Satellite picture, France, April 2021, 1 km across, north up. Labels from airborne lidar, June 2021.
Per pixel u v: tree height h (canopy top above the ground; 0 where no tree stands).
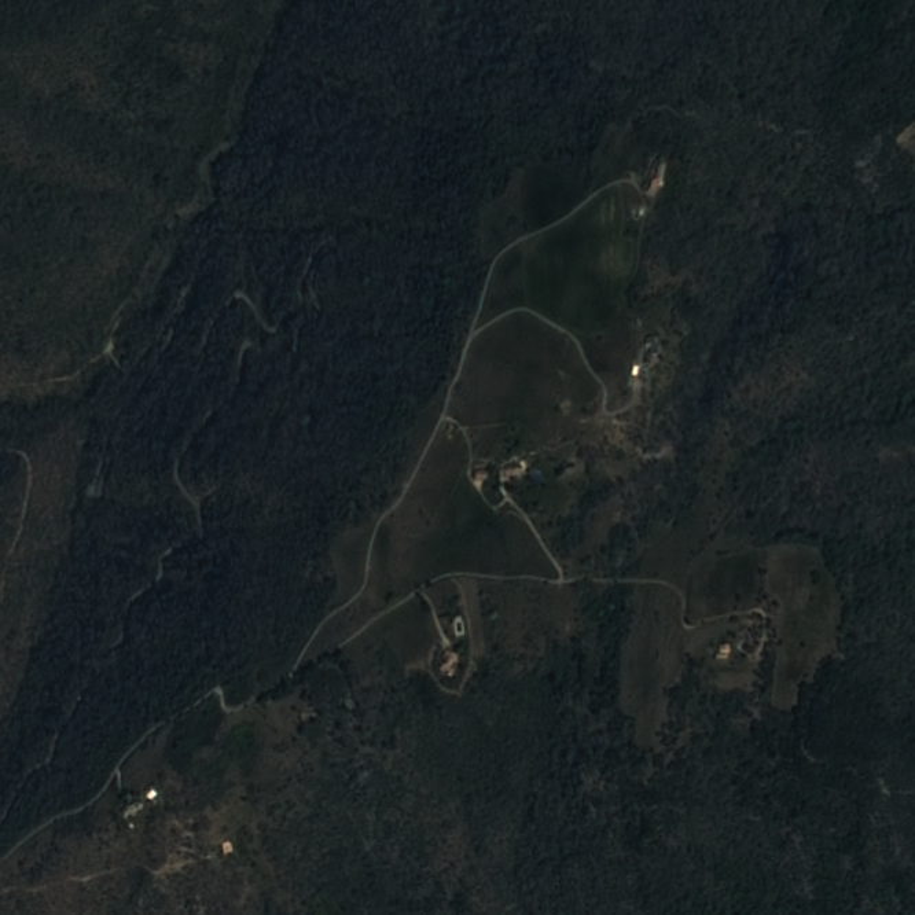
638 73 9
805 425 9
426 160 7
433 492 0
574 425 0
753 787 8
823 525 14
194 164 19
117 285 12
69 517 11
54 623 15
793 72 17
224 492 9
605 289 0
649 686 0
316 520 7
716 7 7
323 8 24
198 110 9
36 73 9
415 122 8
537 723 7
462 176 9
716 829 6
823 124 5
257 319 15
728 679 0
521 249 0
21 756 10
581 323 0
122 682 7
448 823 8
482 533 0
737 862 7
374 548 0
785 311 7
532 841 9
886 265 11
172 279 12
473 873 9
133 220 12
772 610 7
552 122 13
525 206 0
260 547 20
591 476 9
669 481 11
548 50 6
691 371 10
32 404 10
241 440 16
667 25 10
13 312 8
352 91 20
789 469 7
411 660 0
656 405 6
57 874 10
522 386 0
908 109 7
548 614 0
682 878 11
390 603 9
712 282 9
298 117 15
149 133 7
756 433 11
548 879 9
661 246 6
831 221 12
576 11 6
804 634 0
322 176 17
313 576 7
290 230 18
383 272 17
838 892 10
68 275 13
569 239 0
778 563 0
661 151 7
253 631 8
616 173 0
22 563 9
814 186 10
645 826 9
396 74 8
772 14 12
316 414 8
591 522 7
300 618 6
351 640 0
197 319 10
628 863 7
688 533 0
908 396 15
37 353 6
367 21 20
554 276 0
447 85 9
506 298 0
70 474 14
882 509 13
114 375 10
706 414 11
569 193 0
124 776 0
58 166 9
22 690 14
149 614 8
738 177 12
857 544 9
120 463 11
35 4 9
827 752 8
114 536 8
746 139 11
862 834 9
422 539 0
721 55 6
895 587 7
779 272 8
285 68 19
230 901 11
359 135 22
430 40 14
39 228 10
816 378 7
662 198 6
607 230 0
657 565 0
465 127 8
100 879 8
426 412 0
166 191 12
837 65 11
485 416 0
